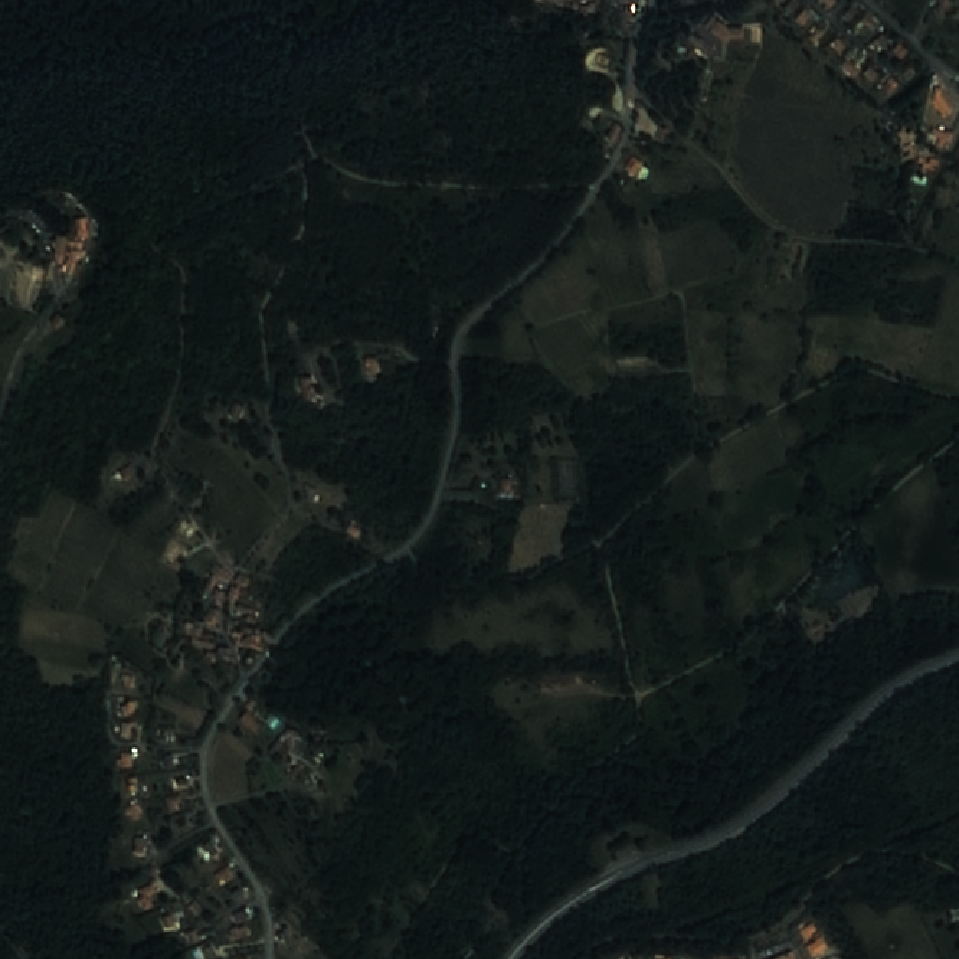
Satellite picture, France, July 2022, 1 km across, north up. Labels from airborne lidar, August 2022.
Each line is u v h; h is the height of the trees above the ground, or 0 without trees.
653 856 0
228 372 7
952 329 0
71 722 17
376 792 11
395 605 15
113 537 0
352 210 10
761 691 9
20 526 0
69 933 20
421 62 11
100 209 16
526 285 7
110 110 20
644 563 10
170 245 11
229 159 15
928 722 7
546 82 13
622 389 8
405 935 7
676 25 13
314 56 33
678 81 11
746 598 0
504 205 8
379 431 7
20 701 19
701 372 0
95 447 11
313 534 7
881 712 8
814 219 0
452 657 11
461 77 9
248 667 9
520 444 8
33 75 30
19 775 22
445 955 11
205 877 0
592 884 0
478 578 16
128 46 25
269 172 14
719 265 0
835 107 0
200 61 29
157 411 10
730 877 8
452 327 9
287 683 10
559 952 11
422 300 6
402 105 16
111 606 0
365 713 12
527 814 12
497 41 14
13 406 12
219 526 0
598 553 19
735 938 15
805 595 16
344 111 9
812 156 0
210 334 15
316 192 9
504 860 10
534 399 9
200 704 0
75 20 24
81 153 20
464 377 13
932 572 0
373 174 13
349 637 17
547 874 16
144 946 9
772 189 0
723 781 14
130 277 15
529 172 13
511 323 0
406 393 8
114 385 13
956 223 0
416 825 7
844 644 14
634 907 7
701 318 0
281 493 0
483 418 8
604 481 13
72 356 11
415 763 14
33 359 7
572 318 0
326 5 26
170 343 6
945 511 0
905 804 8
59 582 0
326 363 13
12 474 8
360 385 11
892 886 9
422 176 11
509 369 6
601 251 0
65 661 0
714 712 10
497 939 9
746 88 0
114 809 15
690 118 11
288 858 0
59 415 9
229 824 9
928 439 0
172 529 7
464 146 10
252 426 11
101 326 13
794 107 0
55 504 0
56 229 13
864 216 10
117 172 18
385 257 7
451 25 18
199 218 8
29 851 24
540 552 0
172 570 0
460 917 9
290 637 12
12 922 20
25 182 19
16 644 8
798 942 0
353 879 12
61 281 0
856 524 14
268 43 27
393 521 10
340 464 13
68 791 24
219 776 0
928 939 0
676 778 12
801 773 0
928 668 0
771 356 0
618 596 7
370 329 7
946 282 0
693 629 0
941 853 8
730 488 0
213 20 31
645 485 11
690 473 0
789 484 0
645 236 0
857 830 14
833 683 15
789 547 0
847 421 11
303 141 11
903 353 0
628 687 8
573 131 12
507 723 9
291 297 10
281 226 8
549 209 13
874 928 0
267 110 14
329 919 8
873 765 6
